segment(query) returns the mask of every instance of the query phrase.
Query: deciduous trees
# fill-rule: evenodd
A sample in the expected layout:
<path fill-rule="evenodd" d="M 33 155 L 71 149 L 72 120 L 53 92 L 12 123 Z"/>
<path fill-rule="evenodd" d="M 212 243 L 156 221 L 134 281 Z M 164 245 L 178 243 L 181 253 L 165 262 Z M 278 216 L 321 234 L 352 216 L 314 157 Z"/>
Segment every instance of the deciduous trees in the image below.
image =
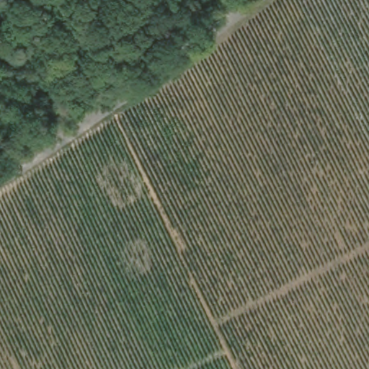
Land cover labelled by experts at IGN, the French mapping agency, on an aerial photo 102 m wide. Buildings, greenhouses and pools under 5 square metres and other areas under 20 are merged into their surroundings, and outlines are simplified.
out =
<path fill-rule="evenodd" d="M 118 101 L 125 102 L 130 107 L 159 94 L 163 85 L 177 81 L 197 62 L 212 55 L 216 49 L 215 39 L 215 33 L 226 23 L 226 14 L 248 16 L 264 6 L 262 0 L 0 0 L 0 187 L 22 174 L 23 163 L 56 144 L 58 130 L 63 130 L 66 135 L 76 135 L 78 131 L 79 123 L 82 123 L 86 114 L 102 112 L 110 111 Z"/>

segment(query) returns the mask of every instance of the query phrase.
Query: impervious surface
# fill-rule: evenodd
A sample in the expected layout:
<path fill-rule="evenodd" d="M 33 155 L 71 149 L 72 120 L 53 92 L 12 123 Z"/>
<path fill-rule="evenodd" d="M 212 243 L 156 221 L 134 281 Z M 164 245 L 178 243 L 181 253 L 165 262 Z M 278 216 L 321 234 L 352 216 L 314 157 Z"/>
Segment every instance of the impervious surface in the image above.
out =
<path fill-rule="evenodd" d="M 219 43 L 226 42 L 234 29 L 248 26 L 248 16 L 226 14 L 226 23 L 215 33 L 215 39 Z"/>
<path fill-rule="evenodd" d="M 79 123 L 78 131 L 84 133 L 97 121 L 105 118 L 102 112 L 86 114 L 82 123 Z"/>

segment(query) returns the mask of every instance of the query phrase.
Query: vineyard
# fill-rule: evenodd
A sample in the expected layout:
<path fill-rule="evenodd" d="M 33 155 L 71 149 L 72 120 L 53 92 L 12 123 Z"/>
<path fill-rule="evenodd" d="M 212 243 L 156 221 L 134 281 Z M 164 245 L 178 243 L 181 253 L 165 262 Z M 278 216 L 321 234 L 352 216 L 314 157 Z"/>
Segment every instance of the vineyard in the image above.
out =
<path fill-rule="evenodd" d="M 108 124 L 98 133 L 92 134 L 81 144 L 62 154 L 59 160 L 33 173 L 32 177 L 20 183 L 17 189 L 0 197 L 0 369 L 369 369 L 369 0 L 262 0 L 264 6 L 248 16 L 248 26 L 234 29 L 226 42 L 219 43 L 215 39 L 216 49 L 212 55 L 197 62 L 177 81 L 163 85 L 159 94 L 130 107 L 124 111 L 123 117 L 115 118 L 115 124 Z"/>

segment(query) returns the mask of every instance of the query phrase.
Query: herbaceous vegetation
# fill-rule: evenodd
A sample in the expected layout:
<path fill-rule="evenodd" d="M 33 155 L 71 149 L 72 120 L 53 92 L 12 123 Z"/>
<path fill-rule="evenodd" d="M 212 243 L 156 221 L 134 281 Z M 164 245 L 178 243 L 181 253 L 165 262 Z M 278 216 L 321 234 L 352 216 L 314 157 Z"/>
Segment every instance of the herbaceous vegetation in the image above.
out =
<path fill-rule="evenodd" d="M 78 131 L 76 135 L 66 135 L 63 130 L 58 130 L 56 144 L 23 163 L 22 174 L 0 187 L 0 197 L 17 189 L 20 183 L 32 177 L 33 173 L 59 160 L 62 154 L 81 144 L 92 134 L 98 133 L 108 124 L 115 124 L 115 118 L 123 117 L 124 111 L 130 107 L 125 102 L 118 101 L 110 111 L 102 112 L 105 118 L 97 121 L 84 133 Z"/>

